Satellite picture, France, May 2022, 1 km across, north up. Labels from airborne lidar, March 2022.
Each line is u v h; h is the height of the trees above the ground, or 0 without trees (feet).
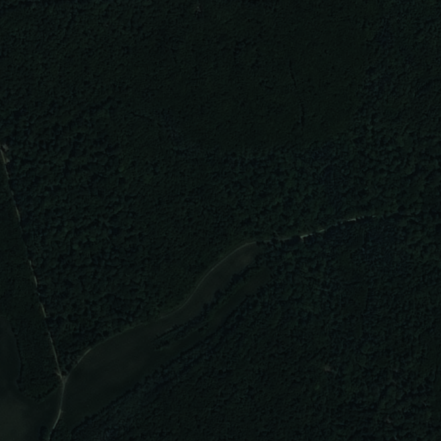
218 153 68
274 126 59
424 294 67
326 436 78
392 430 92
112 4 92
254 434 67
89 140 92
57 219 92
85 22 93
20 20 86
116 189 84
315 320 97
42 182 90
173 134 66
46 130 81
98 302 96
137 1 81
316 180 80
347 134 82
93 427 55
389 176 81
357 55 48
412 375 80
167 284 65
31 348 43
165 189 80
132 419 66
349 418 52
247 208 100
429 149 102
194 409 60
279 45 60
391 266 62
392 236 56
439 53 79
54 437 42
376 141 70
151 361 0
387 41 79
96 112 105
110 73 74
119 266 100
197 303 0
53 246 91
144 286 96
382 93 74
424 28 88
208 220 78
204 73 68
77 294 102
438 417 25
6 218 45
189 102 52
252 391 62
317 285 86
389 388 101
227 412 64
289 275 65
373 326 79
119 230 100
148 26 70
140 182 85
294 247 69
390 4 60
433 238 95
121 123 89
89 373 0
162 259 78
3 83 80
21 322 45
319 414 70
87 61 82
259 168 95
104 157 87
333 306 51
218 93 62
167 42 56
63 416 0
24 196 54
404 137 95
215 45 56
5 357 0
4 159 0
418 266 63
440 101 79
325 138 57
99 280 100
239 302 0
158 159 77
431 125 92
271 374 67
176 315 0
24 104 79
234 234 75
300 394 72
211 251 56
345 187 73
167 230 91
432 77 61
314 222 73
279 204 75
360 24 60
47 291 100
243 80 62
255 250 0
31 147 99
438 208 91
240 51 60
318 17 54
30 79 87
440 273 73
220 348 83
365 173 84
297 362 78
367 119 94
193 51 59
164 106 62
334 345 52
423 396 91
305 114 55
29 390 32
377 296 66
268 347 73
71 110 81
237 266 0
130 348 0
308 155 61
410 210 74
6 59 81
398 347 60
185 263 68
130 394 48
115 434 56
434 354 32
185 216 75
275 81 60
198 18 66
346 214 59
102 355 0
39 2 73
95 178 93
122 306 108
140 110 71
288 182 99
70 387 0
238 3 58
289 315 58
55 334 84
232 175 78
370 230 64
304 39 69
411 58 75
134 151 73
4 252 33
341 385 81
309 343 77
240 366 88
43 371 46
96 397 0
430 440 95
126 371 0
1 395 0
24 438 0
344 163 60
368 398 83
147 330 0
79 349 55
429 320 59
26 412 0
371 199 90
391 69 80
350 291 45
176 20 60
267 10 63
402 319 54
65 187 73
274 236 87
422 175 88
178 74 56
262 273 0
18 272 36
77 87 83
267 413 64
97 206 92
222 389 70
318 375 93
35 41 74
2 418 0
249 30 60
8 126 78
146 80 66
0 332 0
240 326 77
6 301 42
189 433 59
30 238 95
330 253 63
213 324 0
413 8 68
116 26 92
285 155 86
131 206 100
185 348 0
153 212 82
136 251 99
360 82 55
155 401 65
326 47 56
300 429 69
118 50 83
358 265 44
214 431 71
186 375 72
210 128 56
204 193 79
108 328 94
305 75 55
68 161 97
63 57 84
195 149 77
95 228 97
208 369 78
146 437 65
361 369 74
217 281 0
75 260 87
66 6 87
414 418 94
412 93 81
